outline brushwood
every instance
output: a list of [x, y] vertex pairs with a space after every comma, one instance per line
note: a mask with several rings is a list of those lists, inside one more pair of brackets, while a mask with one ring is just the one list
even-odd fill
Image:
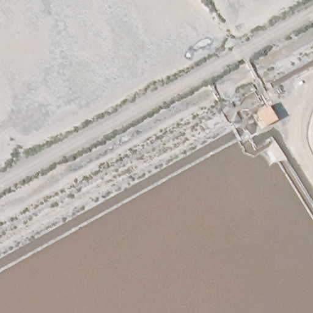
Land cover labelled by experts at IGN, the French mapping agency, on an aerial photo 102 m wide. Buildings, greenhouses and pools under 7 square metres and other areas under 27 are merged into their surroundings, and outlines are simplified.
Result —
[[100, 141], [78, 150], [75, 154], [62, 156], [48, 168], [24, 177], [0, 192], [0, 199], [38, 177], [49, 174], [56, 166], [92, 152], [94, 148], [114, 139], [117, 134], [125, 133], [163, 109], [169, 109], [177, 101], [191, 97], [203, 87], [213, 86], [216, 98], [221, 99], [216, 83], [238, 70], [241, 65], [236, 61], [235, 64], [227, 65], [219, 75], [204, 79], [197, 86], [164, 101], [126, 126], [105, 134]]
[[313, 5], [313, 0], [301, 0], [280, 15], [271, 17], [268, 21], [271, 27]]
[[267, 29], [262, 24], [238, 37], [231, 33], [231, 29], [226, 29], [224, 39], [216, 46], [214, 53], [205, 55], [174, 75], [149, 82], [143, 89], [133, 93], [131, 98], [123, 99], [111, 110], [100, 112], [70, 131], [56, 134], [49, 141], [27, 148], [24, 155], [29, 158], [51, 145], [65, 141], [72, 134], [83, 131], [105, 116], [115, 115], [123, 106], [134, 103], [147, 92], [155, 92], [177, 81], [213, 57], [219, 57], [221, 51], [225, 50], [227, 40], [249, 42], [258, 32]]

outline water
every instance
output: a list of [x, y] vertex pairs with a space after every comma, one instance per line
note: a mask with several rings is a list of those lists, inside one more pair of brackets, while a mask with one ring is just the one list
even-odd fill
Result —
[[313, 67], [313, 60], [271, 81], [271, 87], [278, 87], [280, 92], [285, 93], [284, 82], [287, 79]]
[[280, 132], [275, 128], [267, 131], [265, 131], [257, 137], [230, 145], [0, 273], [0, 313], [313, 313], [313, 221], [298, 201], [279, 166], [269, 163], [262, 152], [268, 149], [264, 143], [265, 139], [274, 138], [313, 201], [313, 187], [301, 166], [293, 158], [290, 149], [286, 147]]
[[232, 132], [224, 134], [216, 141], [199, 148], [197, 152], [166, 166], [136, 185], [125, 188], [108, 201], [95, 205], [86, 213], [72, 218], [43, 236], [31, 236], [31, 242], [27, 245], [0, 259], [0, 268], [103, 212], [111, 205], [163, 179], [171, 172], [212, 152], [220, 145], [232, 141], [235, 136]]

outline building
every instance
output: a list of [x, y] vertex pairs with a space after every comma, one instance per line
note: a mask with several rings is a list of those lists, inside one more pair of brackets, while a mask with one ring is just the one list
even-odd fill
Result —
[[264, 106], [254, 119], [265, 131], [267, 131], [265, 128], [270, 122], [278, 119], [278, 116], [273, 108]]

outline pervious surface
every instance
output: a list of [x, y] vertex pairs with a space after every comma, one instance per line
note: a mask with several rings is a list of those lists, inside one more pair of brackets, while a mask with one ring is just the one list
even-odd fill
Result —
[[265, 139], [264, 143], [268, 149], [262, 152], [269, 163], [279, 166], [298, 201], [313, 221], [313, 201], [274, 138]]
[[[31, 242], [31, 236], [43, 236], [72, 218], [86, 213], [95, 205], [108, 201], [125, 188], [136, 185], [166, 166], [197, 152], [199, 148], [216, 141], [224, 134], [232, 132], [235, 136], [232, 141], [220, 145], [212, 152], [171, 172], [163, 179], [111, 205], [103, 212], [0, 268], [0, 273], [230, 145], [257, 137], [265, 131], [254, 119], [264, 106], [273, 108], [278, 116], [278, 119], [270, 122], [265, 128], [267, 131], [275, 128], [280, 132], [286, 147], [290, 149], [293, 158], [301, 166], [313, 187], [313, 67], [287, 79], [284, 82], [285, 93], [280, 92], [278, 87], [271, 87], [271, 81], [313, 60], [313, 5], [271, 27], [268, 21], [271, 17], [280, 15], [301, 0], [0, 0], [0, 192], [24, 177], [48, 168], [62, 156], [75, 154], [78, 150], [100, 141], [105, 134], [126, 126], [164, 101], [197, 86], [204, 79], [219, 75], [227, 65], [235, 64], [236, 61], [241, 65], [238, 70], [216, 83], [221, 99], [216, 98], [213, 86], [203, 87], [191, 97], [177, 101], [169, 109], [163, 109], [125, 133], [117, 134], [114, 139], [94, 148], [92, 152], [56, 166], [49, 174], [38, 177], [0, 199], [0, 259], [27, 245]], [[174, 75], [205, 55], [214, 53], [216, 46], [224, 39], [226, 29], [231, 29], [231, 33], [238, 37], [262, 24], [267, 29], [258, 32], [249, 42], [227, 40], [225, 50], [221, 51], [219, 57], [213, 57], [177, 81], [155, 92], [147, 92], [134, 103], [123, 106], [115, 115], [105, 116], [83, 131], [72, 134], [65, 141], [51, 145], [29, 158], [24, 155], [27, 148], [49, 141], [56, 134], [70, 131], [100, 112], [111, 110], [123, 99], [131, 98], [133, 93], [143, 89], [149, 82]]]

